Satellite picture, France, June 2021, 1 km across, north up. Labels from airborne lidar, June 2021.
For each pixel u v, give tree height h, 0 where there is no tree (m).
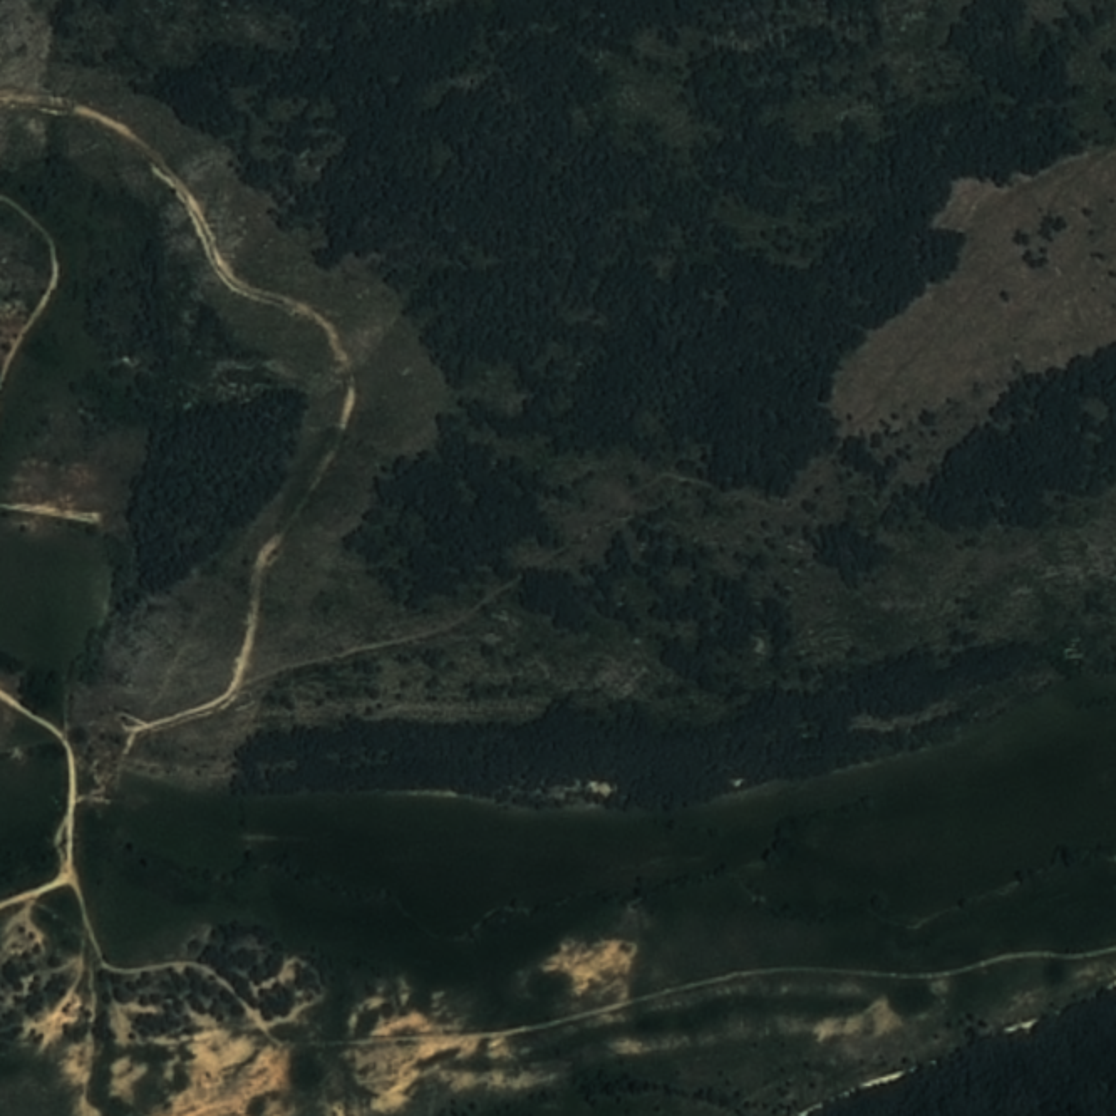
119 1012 0
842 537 8
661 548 8
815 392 13
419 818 0
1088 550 0
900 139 8
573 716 8
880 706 12
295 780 10
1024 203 0
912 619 0
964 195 0
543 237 8
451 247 10
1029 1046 14
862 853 0
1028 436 10
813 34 10
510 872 0
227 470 8
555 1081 0
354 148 10
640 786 11
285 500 0
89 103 0
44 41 0
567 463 0
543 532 9
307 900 0
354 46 13
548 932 0
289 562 0
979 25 10
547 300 12
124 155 0
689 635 0
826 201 7
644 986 0
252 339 0
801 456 13
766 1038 0
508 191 11
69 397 0
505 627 0
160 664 0
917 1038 0
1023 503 9
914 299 9
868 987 0
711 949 0
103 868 0
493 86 10
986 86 9
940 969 0
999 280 0
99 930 0
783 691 9
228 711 0
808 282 13
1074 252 0
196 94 9
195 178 0
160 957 0
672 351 8
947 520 9
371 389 0
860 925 0
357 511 0
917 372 0
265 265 0
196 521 10
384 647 0
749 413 18
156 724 0
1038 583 0
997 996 0
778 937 0
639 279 13
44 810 0
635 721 8
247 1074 0
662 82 0
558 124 13
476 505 8
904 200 12
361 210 9
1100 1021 15
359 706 0
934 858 0
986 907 0
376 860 0
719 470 14
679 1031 0
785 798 0
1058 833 0
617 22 10
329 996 0
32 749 9
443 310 9
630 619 8
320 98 8
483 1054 0
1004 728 0
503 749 9
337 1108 0
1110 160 0
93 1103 0
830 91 7
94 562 0
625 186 8
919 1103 13
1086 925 0
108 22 0
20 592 0
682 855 0
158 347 6
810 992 0
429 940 0
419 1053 0
